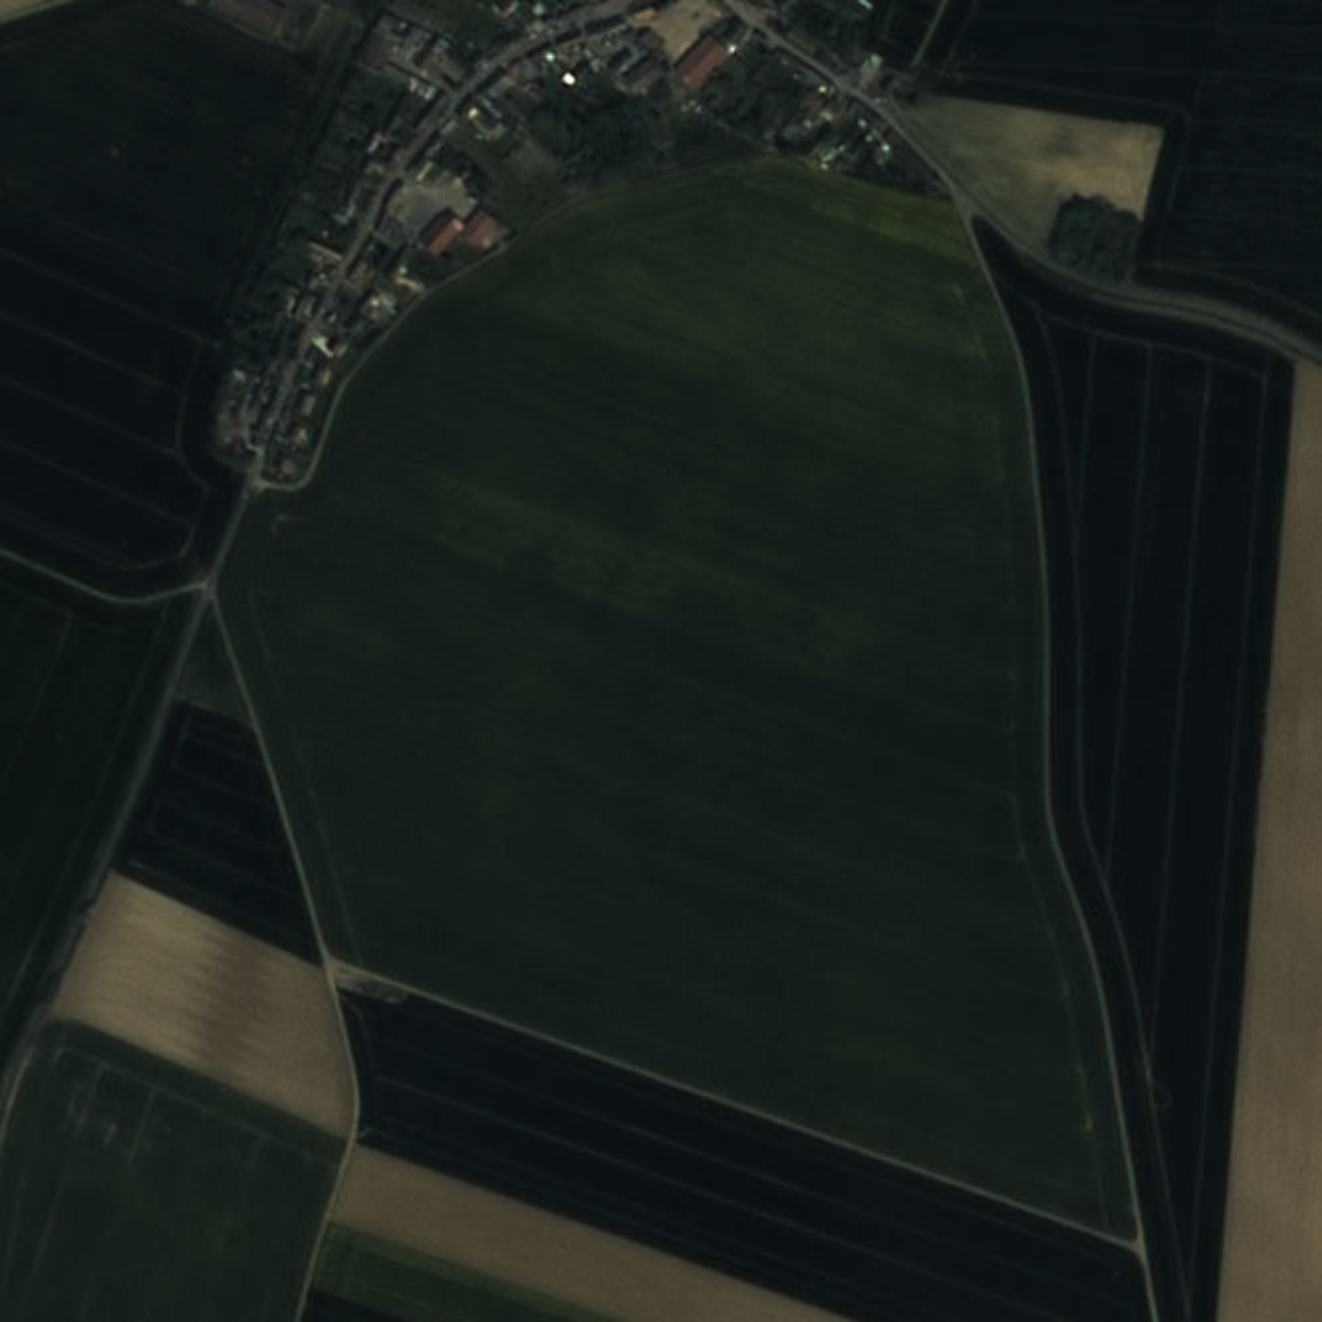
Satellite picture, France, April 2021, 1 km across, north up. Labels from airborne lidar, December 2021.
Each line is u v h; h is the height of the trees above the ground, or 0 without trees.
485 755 0
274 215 0
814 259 0
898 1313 0
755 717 0
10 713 0
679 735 0
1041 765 0
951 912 0
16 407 0
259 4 0
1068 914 0
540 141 0
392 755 0
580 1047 0
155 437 0
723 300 0
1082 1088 0
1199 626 0
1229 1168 0
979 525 0
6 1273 0
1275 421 0
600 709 0
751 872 0
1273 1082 0
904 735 0
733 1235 0
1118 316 0
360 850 0
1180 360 0
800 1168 0
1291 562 0
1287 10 0
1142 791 0
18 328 0
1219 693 0
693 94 0
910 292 0
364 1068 0
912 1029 0
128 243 0
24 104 0
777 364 0
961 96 0
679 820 0
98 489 0
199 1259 0
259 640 0
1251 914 0
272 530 0
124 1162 0
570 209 0
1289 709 0
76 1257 0
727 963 0
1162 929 0
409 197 0
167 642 0
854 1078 0
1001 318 0
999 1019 0
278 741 0
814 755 0
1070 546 0
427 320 0
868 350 0
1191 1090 0
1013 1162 0
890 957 0
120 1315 0
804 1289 0
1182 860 0
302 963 0
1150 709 0
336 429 0
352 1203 0
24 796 0
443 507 0
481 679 0
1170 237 0
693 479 0
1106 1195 0
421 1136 0
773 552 0
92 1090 0
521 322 0
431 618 0
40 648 0
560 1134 0
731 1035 0
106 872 0
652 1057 0
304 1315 0
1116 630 0
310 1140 0
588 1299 0
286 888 0
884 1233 0
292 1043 0
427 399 0
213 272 0
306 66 0
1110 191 0
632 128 14
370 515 0
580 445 0
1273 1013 0
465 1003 0
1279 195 0
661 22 0
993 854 0
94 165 0
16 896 0
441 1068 0
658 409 0
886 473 0
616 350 0
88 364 0
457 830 0
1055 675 0
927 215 0
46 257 0
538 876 0
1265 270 0
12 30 0
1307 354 0
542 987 0
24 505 0
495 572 0
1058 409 0
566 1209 0
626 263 0
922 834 0
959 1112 0
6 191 0
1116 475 0
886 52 0
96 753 0
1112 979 0
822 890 0
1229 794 0
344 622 0
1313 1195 0
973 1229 0
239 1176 0
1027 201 0
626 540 0
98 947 0
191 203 0
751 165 0
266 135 0
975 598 0
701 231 0
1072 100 0
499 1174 0
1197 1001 0
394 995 0
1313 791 0
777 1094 0
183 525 0
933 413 0
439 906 0
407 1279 0
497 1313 0
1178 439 0
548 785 0
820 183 0
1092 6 0
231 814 0
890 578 0
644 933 0
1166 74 0
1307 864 0
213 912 0
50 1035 0
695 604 0
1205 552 0
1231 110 0
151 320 0
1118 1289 0
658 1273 0
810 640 0
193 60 0
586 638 0
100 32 0
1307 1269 0
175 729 0
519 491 0
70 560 0
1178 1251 0
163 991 0
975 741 0
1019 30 0
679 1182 0
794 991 0
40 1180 0
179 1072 0
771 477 0
